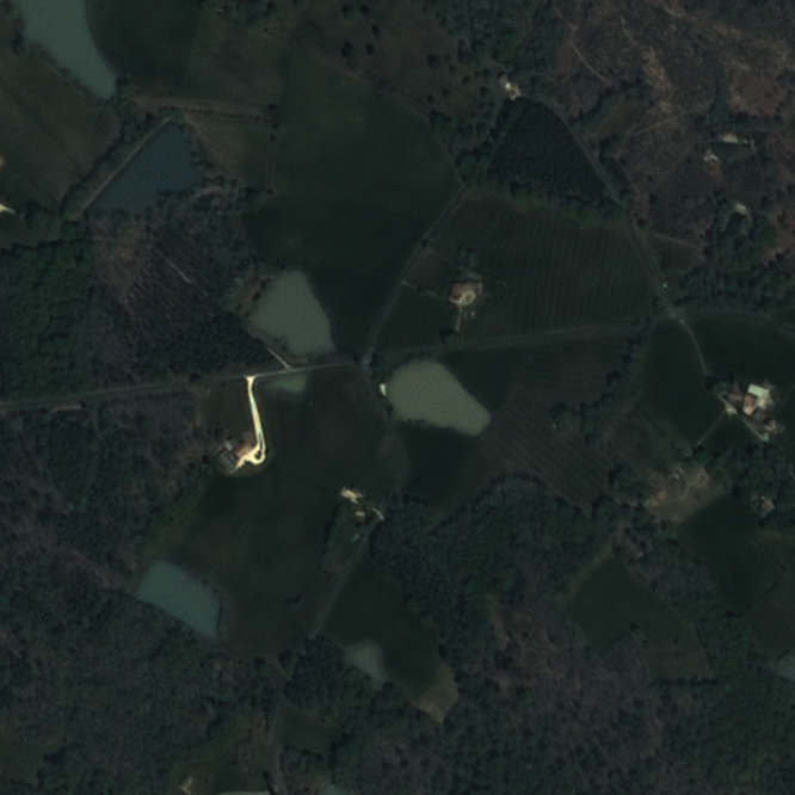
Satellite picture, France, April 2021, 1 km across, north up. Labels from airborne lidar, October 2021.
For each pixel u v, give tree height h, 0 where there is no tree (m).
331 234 0
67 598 10
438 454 0
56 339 15
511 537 19
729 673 21
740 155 0
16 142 0
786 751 25
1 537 27
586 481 0
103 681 19
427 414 0
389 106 0
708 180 0
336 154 0
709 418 0
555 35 13
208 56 0
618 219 24
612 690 16
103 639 20
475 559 21
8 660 25
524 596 28
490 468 0
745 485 11
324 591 0
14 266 21
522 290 0
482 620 27
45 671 17
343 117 0
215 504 0
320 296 0
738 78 0
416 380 0
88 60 0
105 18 0
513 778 29
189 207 14
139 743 13
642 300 0
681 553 18
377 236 0
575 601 0
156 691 24
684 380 0
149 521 18
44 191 0
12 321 15
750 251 15
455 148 17
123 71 0
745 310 17
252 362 20
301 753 11
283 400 0
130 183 0
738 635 25
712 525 0
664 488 0
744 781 22
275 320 0
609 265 0
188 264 15
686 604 19
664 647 0
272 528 0
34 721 18
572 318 0
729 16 16
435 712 0
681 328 0
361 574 0
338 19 0
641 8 7
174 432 15
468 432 0
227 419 0
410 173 0
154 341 17
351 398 0
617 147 14
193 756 22
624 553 15
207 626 0
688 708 14
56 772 27
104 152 0
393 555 20
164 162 0
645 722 19
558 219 0
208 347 21
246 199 12
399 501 11
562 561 23
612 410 15
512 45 22
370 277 0
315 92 0
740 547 0
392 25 0
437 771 12
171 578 0
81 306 10
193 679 23
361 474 0
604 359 0
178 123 9
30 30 0
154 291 15
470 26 11
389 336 0
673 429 0
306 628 0
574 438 0
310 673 30
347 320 0
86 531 28
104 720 13
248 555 0
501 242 0
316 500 0
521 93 12
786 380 0
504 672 10
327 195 0
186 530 0
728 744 18
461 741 15
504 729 22
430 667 0
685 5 10
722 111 11
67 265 21
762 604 0
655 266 0
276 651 0
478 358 0
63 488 19
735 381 14
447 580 19
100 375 18
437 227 0
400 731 23
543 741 15
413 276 0
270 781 16
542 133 11
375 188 0
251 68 0
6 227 0
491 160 16
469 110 0
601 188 12
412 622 0
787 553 0
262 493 0
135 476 18
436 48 0
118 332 15
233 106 0
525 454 0
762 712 24
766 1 14
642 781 23
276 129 9
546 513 24
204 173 11
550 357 0
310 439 0
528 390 0
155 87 0
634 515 19
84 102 0
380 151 0
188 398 14
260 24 18
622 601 0
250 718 7
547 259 0
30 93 0
